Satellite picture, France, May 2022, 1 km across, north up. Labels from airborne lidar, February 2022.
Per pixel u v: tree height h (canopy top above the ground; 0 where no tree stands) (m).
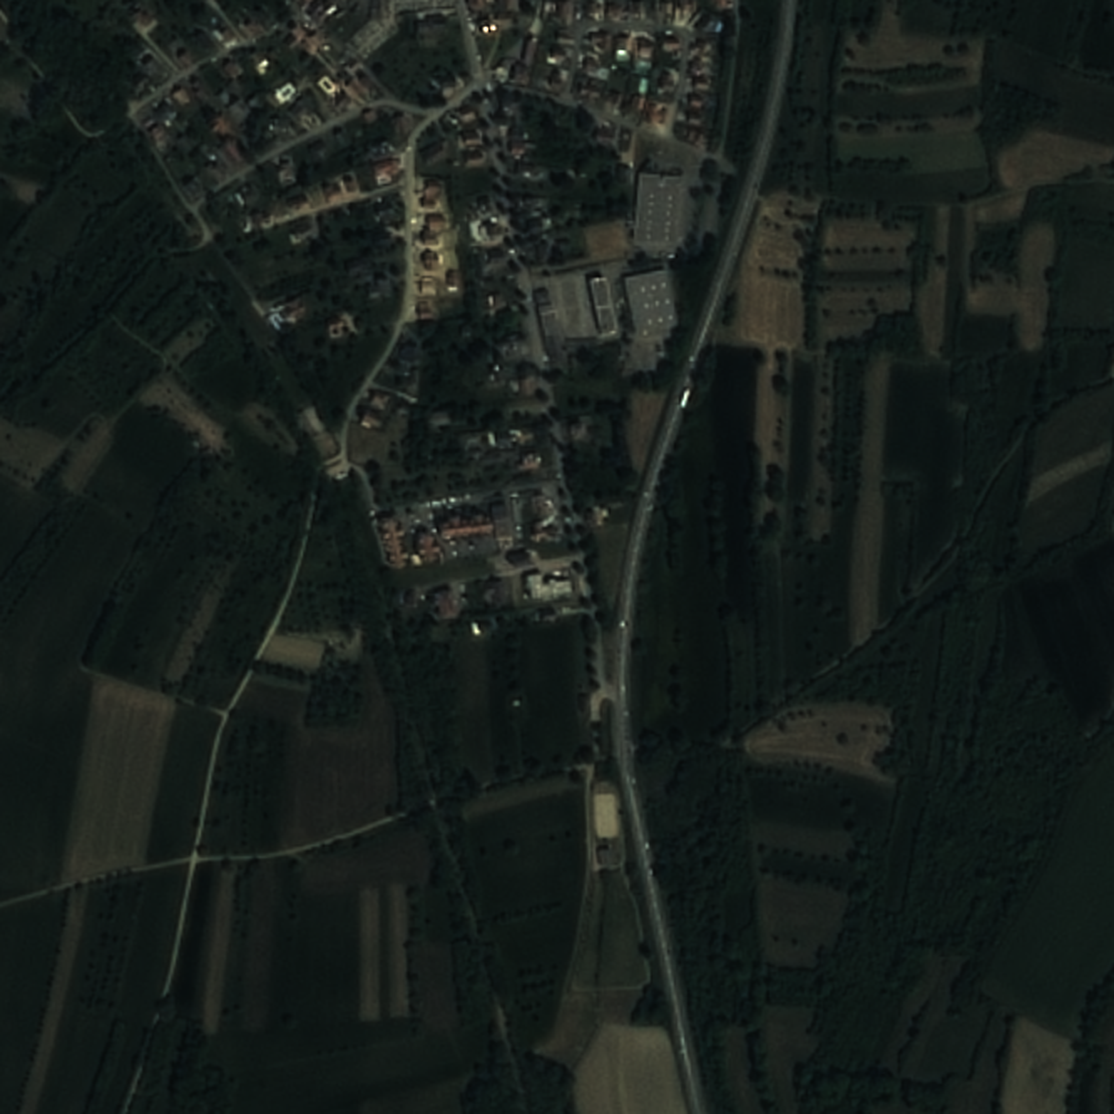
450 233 0
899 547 0
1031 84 0
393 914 0
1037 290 0
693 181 0
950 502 0
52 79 6
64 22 17
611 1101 0
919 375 0
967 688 9
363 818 0
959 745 9
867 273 0
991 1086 0
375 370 0
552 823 0
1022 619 0
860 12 0
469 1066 0
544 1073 20
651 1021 7
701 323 0
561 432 0
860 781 0
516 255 0
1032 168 0
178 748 0
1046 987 0
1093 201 0
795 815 0
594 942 0
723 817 7
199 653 9
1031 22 0
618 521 0
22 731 0
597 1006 0
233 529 0
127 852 0
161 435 0
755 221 0
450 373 9
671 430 0
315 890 0
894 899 0
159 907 0
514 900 0
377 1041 0
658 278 0
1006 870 6
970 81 0
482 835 0
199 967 0
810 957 0
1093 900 0
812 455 0
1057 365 9
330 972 0
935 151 0
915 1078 0
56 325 0
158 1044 6
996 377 8
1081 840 0
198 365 6
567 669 0
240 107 0
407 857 0
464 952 8
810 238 9
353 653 0
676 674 11
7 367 6
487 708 0
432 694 8
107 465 0
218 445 0
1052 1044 0
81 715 0
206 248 0
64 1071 0
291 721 0
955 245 0
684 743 16
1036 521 0
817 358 0
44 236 0
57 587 0
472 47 0
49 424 0
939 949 7
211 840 0
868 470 0
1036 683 9
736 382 0
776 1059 0
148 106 0
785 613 0
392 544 0
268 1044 0
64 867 0
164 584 0
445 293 0
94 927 0
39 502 0
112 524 0
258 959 0
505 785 8
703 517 0
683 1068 0
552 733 0
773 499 13
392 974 0
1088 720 0
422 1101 0
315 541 0
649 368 0
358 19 0
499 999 15
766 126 0
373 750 0
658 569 0
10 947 0
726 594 0
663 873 18
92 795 0
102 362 0
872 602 0
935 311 0
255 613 0
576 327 0
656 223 0
